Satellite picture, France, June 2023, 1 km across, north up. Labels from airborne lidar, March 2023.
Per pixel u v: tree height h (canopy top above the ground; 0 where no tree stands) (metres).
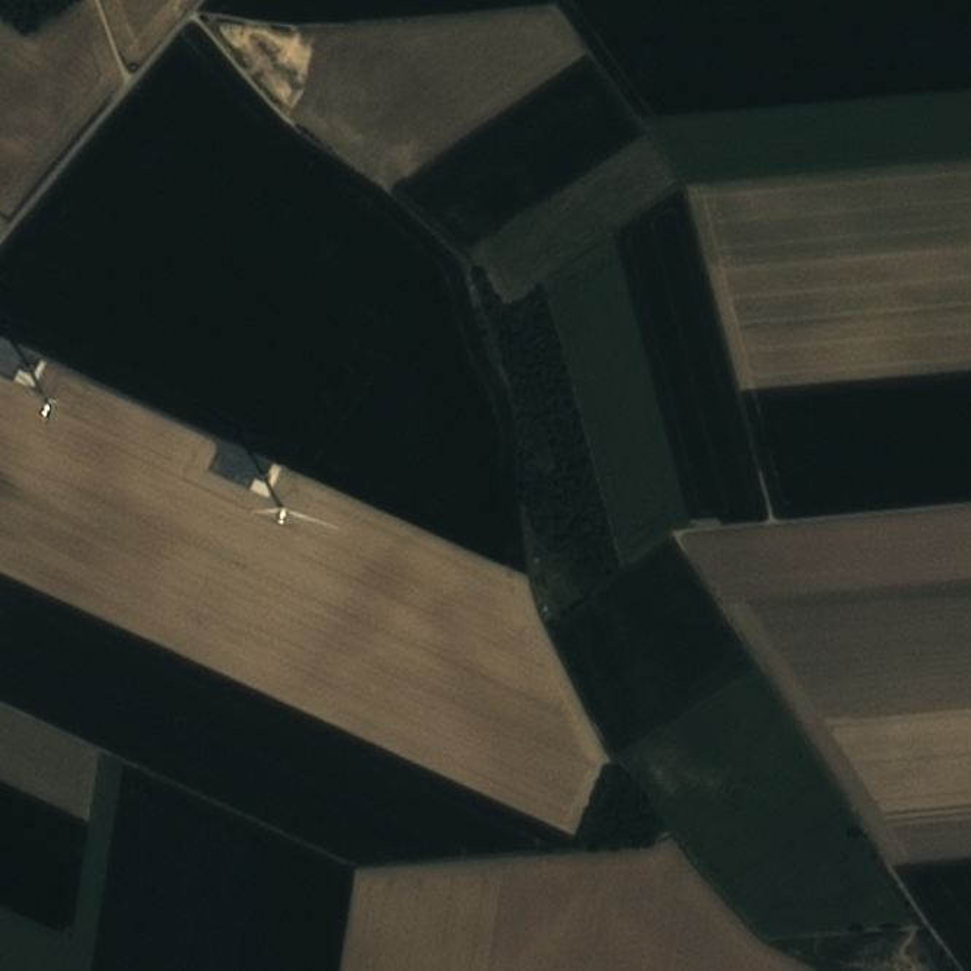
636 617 0
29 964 0
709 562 0
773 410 0
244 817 0
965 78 0
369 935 0
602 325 0
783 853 0
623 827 16
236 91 0
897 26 0
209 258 0
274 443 0
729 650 0
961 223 0
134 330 0
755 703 0
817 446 0
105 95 0
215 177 0
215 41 0
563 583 0
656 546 0
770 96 0
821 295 0
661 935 0
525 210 0
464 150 0
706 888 0
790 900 0
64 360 0
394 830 0
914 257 0
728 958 0
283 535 0
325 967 0
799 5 0
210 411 0
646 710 0
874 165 0
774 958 0
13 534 0
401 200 0
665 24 0
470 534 0
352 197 0
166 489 0
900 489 0
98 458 0
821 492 0
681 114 0
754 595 0
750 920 0
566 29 0
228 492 0
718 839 0
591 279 0
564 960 0
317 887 0
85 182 0
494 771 0
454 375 0
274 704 0
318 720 0
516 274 0
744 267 0
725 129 0
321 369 0
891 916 0
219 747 0
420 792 0
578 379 0
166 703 0
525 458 11
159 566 0
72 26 0
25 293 0
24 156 0
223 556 0
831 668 0
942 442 0
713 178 0
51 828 0
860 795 0
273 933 0
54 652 0
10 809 0
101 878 0
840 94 0
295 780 0
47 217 0
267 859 0
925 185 0
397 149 0
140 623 0
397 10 0
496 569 0
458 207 0
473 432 0
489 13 0
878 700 0
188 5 0
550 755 0
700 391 0
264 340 0
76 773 0
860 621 0
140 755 0
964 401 0
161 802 0
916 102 0
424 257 0
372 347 0
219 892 0
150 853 0
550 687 0
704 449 0
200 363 0
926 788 0
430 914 0
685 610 0
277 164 0
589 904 0
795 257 0
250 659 0
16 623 0
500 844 0
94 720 0
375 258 0
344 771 0
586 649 0
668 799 0
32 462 0
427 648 0
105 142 0
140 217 0
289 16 0
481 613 0
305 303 0
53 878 0
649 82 0
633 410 0
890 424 0
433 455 0
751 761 0
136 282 0
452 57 0
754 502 0
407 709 0
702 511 0
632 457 0
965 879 0
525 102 0
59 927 0
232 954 0
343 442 0
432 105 0
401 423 0
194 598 0
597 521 13
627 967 0
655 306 0
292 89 0
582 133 0
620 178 0
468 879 0
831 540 0
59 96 0
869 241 0
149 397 0
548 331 12
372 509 0
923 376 0
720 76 0
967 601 0
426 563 0
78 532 0
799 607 0
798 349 0
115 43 0
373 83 0
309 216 0
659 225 0
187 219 0
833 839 0
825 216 0
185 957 0
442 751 0
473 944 0
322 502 0
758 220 0
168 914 0
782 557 0
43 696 0
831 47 0
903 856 0
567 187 0
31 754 0
